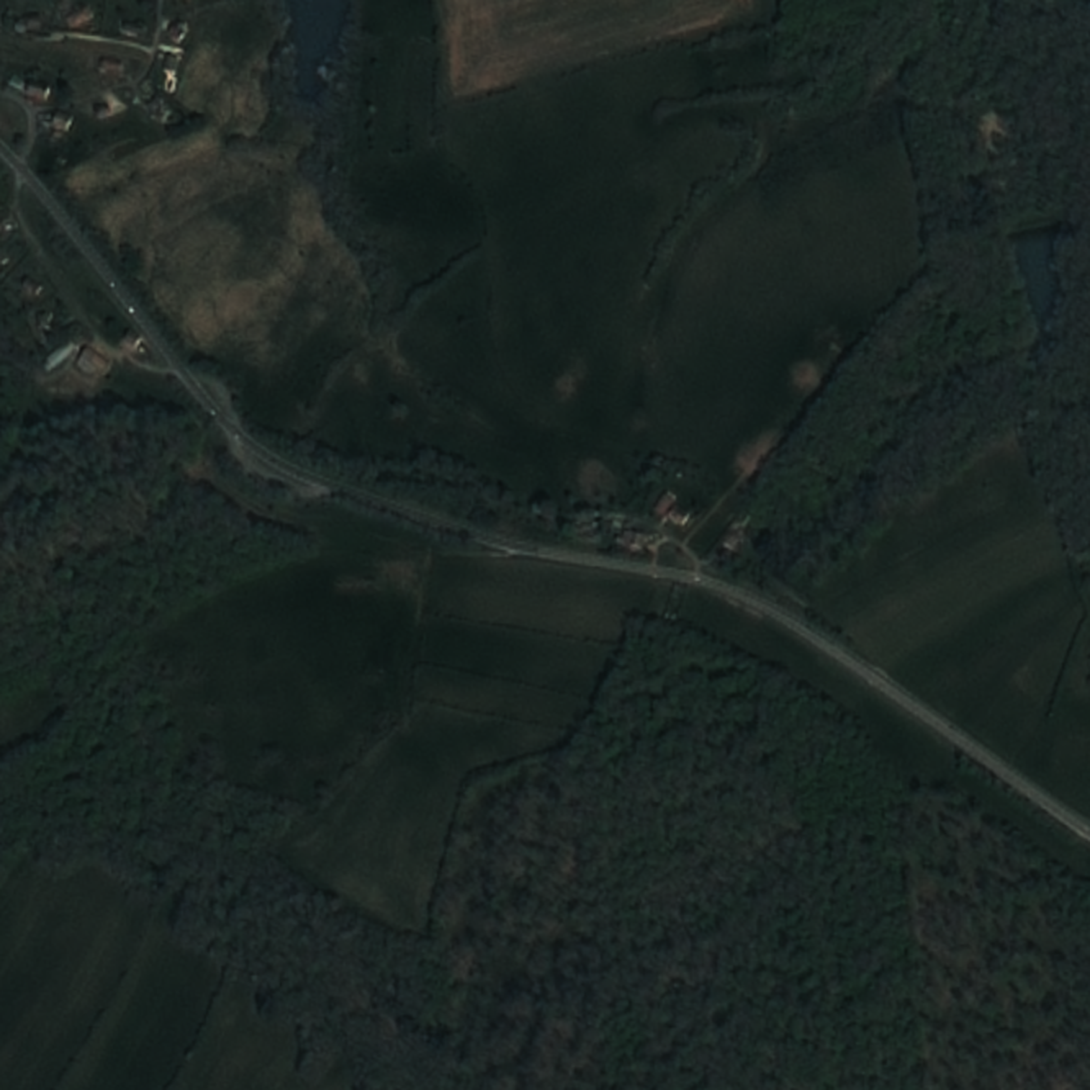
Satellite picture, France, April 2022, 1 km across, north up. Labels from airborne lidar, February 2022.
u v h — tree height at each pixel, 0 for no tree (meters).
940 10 17
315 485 0
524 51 0
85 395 0
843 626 0
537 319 0
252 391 0
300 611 0
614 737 25
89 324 0
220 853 21
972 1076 24
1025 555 0
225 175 0
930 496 21
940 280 21
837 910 23
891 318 10
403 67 0
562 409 0
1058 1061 24
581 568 0
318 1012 20
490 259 0
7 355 26
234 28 0
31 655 27
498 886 23
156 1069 0
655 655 22
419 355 0
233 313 0
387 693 0
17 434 23
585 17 0
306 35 0
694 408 0
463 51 0
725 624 0
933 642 0
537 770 7
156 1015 0
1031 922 28
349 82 24
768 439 0
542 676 0
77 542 29
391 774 0
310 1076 18
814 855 24
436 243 0
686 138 0
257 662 0
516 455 0
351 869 0
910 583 0
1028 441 21
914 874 24
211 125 0
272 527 13
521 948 24
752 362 0
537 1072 26
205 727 0
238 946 24
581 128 0
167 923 0
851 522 29
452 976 19
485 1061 26
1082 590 7
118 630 26
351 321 0
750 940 24
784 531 27
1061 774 0
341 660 0
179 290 0
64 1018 0
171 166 0
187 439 26
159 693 19
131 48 0
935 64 23
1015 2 26
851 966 19
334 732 0
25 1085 0
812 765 22
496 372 0
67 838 27
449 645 0
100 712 25
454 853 22
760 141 7
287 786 0
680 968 28
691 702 25
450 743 0
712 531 0
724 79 0
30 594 29
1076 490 28
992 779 10
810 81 10
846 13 20
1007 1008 25
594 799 30
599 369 0
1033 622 0
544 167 0
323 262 0
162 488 32
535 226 0
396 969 23
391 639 0
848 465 22
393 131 0
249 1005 0
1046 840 0
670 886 28
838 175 0
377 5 0
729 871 31
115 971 0
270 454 0
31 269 0
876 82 22
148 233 0
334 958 25
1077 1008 25
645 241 0
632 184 0
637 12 0
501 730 0
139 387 0
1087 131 28
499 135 0
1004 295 18
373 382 0
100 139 10
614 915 28
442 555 0
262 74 0
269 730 0
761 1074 29
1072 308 30
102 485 24
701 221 0
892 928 26
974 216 29
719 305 0
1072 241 27
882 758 19
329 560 0
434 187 0
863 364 24
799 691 18
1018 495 0
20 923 0
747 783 28
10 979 0
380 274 9
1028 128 23
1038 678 0
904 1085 25
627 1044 24
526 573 0
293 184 0
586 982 23
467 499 17
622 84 0
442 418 0
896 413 30
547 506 16
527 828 30
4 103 0
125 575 29
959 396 28
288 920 23
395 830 0
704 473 7
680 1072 24
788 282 0
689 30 0
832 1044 25
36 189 0
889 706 0
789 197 0
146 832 17
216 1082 0
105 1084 0
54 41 0
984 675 0
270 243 0
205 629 0
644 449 0
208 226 0
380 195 0
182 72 0
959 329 25
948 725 0
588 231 0
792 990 25
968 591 0
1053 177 29
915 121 23
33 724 0
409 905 0
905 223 0
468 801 19
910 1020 21
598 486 0
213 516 28
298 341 0
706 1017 27
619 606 0
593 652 0
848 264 0
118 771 26
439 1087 32
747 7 0
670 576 0
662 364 0
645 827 26
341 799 0
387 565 0
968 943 27
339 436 0
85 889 0
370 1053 25
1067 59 23
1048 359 25
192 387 0
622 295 0
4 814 22
